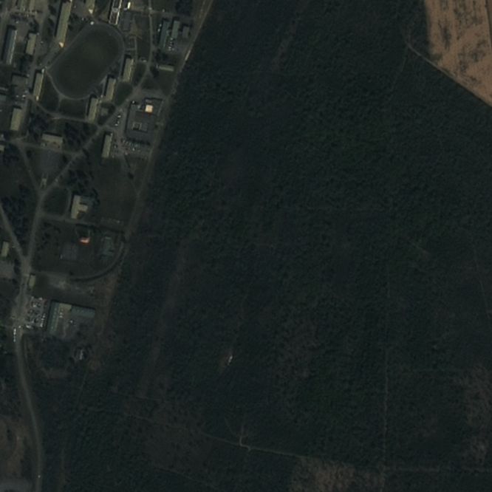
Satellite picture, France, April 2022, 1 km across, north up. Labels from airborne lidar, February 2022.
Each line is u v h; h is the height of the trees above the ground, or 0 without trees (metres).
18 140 0
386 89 7
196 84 12
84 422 11
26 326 0
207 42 8
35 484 0
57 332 0
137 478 8
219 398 11
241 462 6
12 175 0
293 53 11
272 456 6
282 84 9
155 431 0
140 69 0
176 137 14
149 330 17
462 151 8
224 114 6
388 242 14
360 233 13
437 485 12
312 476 12
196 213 12
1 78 0
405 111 13
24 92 0
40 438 0
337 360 14
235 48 9
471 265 9
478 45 0
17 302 0
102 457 7
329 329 16
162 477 11
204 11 0
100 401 13
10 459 0
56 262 0
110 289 0
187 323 6
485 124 9
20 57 0
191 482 7
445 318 7
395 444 11
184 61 0
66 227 0
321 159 9
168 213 14
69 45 0
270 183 13
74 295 0
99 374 10
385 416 13
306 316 15
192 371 14
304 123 14
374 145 16
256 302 7
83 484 9
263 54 11
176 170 7
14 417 12
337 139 14
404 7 11
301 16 10
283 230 13
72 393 13
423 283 15
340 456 8
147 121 0
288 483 8
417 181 9
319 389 14
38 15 0
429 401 12
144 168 0
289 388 12
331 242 16
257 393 9
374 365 7
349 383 16
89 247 0
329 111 12
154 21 0
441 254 8
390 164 11
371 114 16
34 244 0
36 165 0
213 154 15
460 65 0
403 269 15
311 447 15
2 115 0
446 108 10
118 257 0
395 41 7
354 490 10
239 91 14
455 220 16
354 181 12
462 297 9
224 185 12
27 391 0
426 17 10
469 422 14
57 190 0
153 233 11
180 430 0
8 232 0
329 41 15
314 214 11
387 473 10
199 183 16
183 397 17
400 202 13
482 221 14
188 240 13
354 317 11
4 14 0
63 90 0
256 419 6
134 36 0
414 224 15
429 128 10
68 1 0
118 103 0
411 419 9
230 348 0
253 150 7
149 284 16
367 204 15
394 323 12
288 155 7
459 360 11
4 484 0
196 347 12
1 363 0
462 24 0
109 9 0
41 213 0
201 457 0
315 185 10
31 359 13
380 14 8
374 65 12
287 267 14
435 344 12
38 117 8
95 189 0
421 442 10
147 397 0
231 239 13
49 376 0
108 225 0
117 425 14
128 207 0
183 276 15
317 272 10
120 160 0
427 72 7
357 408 14
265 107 15
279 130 6
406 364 10
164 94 0
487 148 7
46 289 0
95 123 0
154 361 0
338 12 12
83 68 0
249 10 6
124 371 12
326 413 11
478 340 8
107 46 0
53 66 0
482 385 0
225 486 9
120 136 0
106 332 0
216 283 9
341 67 9
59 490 0
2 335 6
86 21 0
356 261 16
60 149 0
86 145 0
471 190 8
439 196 12
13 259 0
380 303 12
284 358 13
